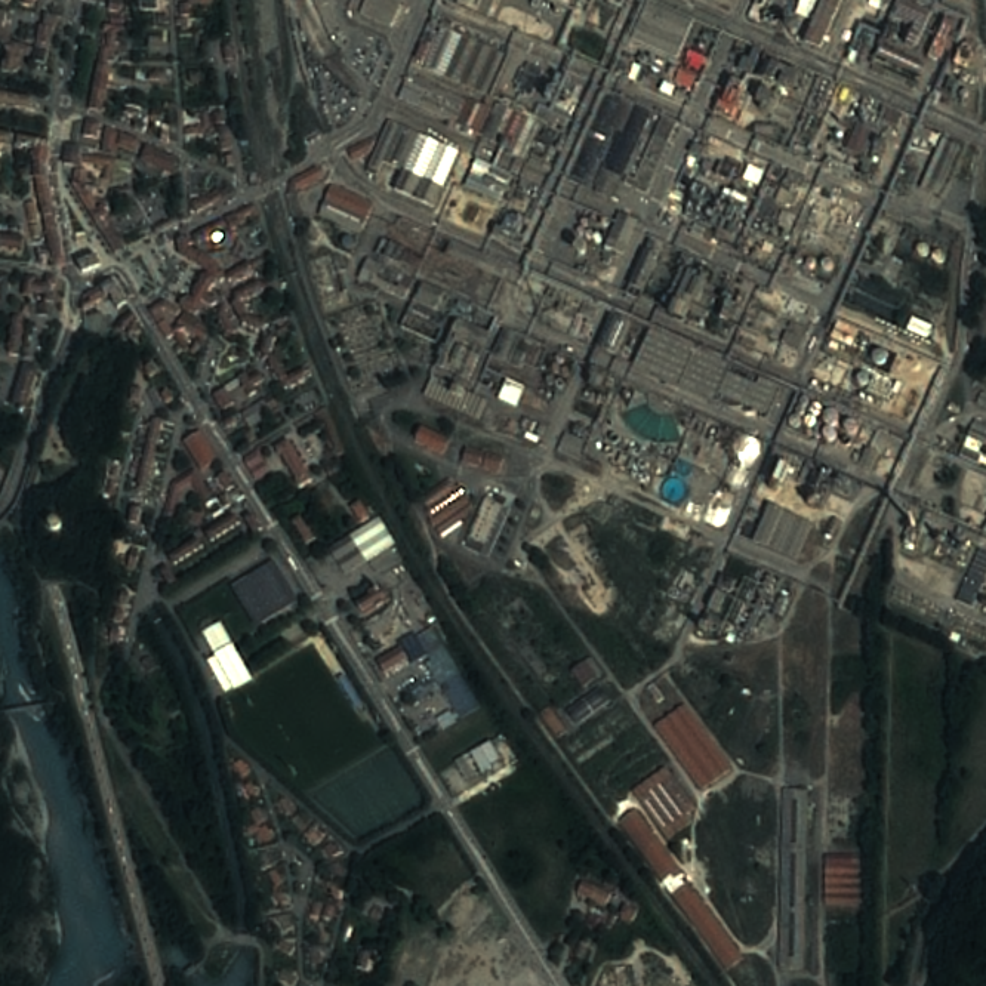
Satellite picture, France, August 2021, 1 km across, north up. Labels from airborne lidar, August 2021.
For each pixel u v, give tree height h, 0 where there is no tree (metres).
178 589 16
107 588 13
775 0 0
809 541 0
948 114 0
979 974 6
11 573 14
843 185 0
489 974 0
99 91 0
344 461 8
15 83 10
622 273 0
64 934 0
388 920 14
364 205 0
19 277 11
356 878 14
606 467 0
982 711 0
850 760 0
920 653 0
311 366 0
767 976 0
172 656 14
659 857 0
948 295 0
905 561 0
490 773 0
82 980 0
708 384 0
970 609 0
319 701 0
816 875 0
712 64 0
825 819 0
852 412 0
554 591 0
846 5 0
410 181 0
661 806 0
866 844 20
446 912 0
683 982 0
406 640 0
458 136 0
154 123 7
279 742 0
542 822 0
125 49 0
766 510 0
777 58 0
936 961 15
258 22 0
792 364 0
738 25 0
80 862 0
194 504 11
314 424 10
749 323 0
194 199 0
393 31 0
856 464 0
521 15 0
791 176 0
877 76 0
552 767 0
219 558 15
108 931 0
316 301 0
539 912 0
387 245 0
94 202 0
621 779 6
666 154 0
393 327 0
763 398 0
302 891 9
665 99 0
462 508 0
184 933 20
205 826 21
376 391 0
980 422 0
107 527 18
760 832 0
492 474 0
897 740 0
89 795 15
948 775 15
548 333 0
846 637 0
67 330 0
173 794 10
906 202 0
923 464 0
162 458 0
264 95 0
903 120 0
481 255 0
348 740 0
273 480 15
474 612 7
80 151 0
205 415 0
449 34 0
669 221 0
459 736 0
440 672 0
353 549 0
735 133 0
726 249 0
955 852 0
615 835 14
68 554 10
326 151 0
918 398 0
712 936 0
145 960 0
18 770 6
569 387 0
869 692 18
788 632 0
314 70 0
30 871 7
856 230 0
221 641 0
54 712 9
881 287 0
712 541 0
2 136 0
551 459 0
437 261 0
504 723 10
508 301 0
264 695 0
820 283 0
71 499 13
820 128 0
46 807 0
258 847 6
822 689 0
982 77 0
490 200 0
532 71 0
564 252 0
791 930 0
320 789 0
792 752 0
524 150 0
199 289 0
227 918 9
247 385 0
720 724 0
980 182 0
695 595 0
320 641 0
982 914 16
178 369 0
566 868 0
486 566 0
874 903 17
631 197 0
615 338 0
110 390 11
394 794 0
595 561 0
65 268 0
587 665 0
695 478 0
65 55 12
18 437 14
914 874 0
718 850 0
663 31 0
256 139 0
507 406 0
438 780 0
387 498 0
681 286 0
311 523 10
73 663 0
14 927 8
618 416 0
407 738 0
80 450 14
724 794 0
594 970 14
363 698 8
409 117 0
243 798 9
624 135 0
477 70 0
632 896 13
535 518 0
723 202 0
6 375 0
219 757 13
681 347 0
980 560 0
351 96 0
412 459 0
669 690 0
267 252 11
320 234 0
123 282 0
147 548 0
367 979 12
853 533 0
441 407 0
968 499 0
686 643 0
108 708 6
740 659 0
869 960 18
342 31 0
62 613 0
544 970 0
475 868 9
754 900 0
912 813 0
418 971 0
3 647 0
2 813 8
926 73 0
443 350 0
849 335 0
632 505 0
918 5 0
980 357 19
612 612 0
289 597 0
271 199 0
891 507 0
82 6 0
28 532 9
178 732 10
